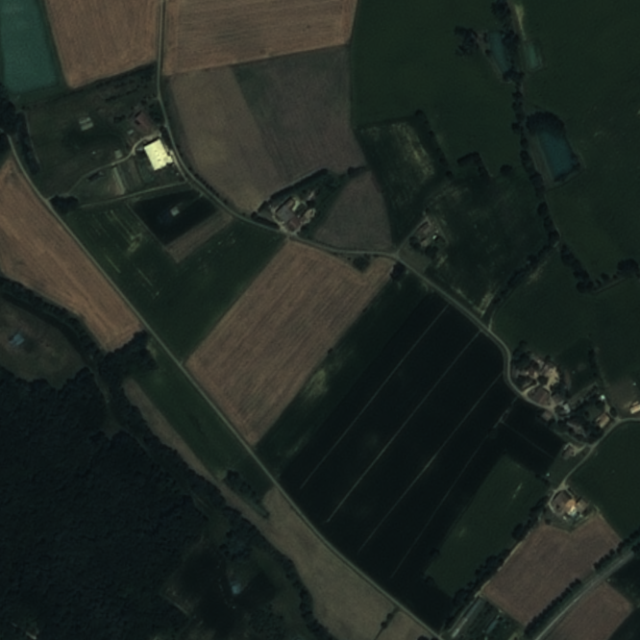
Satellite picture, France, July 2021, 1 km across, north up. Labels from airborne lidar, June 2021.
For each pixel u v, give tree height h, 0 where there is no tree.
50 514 24
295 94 0
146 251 0
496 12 24
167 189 0
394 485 0
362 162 0
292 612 0
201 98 0
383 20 0
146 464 20
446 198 0
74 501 16
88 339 11
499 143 0
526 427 0
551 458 0
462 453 0
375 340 0
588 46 0
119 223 0
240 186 0
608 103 0
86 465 15
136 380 0
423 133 0
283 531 0
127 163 0
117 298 0
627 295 0
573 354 0
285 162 0
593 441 10
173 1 0
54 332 0
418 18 0
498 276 0
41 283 0
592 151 0
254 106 0
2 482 24
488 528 0
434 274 0
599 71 0
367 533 0
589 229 0
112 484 21
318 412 0
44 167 0
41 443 24
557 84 0
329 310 0
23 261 0
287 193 10
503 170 14
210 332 0
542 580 0
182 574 0
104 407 15
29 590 14
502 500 0
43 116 0
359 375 0
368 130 0
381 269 0
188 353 0
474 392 0
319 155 0
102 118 0
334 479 0
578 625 0
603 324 0
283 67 0
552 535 0
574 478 0
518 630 0
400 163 0
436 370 0
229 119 0
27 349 0
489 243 0
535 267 19
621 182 0
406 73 0
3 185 0
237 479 19
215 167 0
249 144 0
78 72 0
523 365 11
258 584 0
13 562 9
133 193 0
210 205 0
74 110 0
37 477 27
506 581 0
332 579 0
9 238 0
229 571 0
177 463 20
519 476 0
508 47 22
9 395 22
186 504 23
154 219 0
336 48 0
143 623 11
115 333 0
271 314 0
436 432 0
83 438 30
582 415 7
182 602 0
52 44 0
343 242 0
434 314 0
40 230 0
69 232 0
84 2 0
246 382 0
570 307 0
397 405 0
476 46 32
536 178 20
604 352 0
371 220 0
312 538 0
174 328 0
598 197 0
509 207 0
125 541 24
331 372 0
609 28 0
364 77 0
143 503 28
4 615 13
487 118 0
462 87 0
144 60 0
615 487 0
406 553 0
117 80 6
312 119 0
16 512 24
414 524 0
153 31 0
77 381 11
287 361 0
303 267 0
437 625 0
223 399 0
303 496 0
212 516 0
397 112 0
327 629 16
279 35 0
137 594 11
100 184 0
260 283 0
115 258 0
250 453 0
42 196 0
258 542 18
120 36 0
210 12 0
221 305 0
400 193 0
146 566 19
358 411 0
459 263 0
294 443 0
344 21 0
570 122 0
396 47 0
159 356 0
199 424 0
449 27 0
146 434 11
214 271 0
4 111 20
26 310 0
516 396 0
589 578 0
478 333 0
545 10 0
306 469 0
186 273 0
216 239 0
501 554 7
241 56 0
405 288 0
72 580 20
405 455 0
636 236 0
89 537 20
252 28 0
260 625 6
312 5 0
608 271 0
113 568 19
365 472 0
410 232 0
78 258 0
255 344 0
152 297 0
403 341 0
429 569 0
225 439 0
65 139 0
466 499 0
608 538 0
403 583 0
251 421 0
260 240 0
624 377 0
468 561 0
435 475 0
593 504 0
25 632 14
